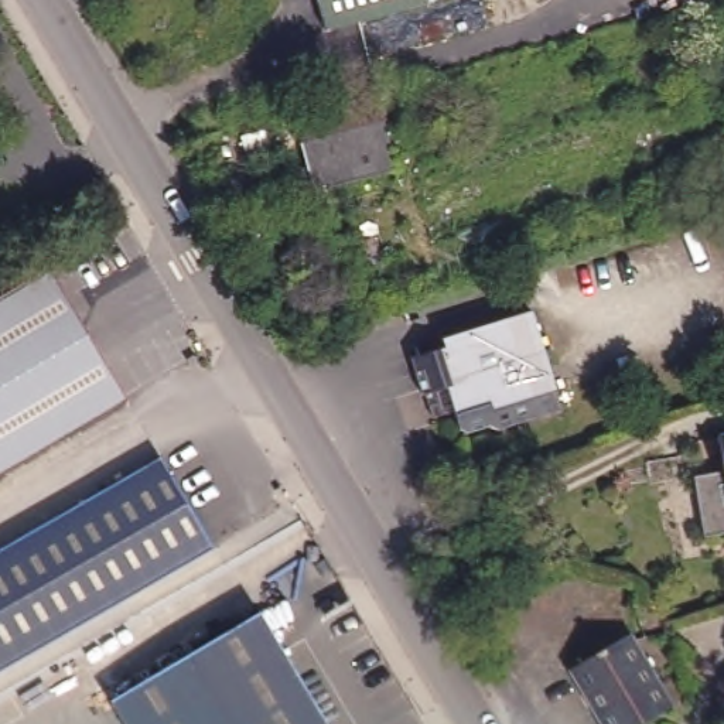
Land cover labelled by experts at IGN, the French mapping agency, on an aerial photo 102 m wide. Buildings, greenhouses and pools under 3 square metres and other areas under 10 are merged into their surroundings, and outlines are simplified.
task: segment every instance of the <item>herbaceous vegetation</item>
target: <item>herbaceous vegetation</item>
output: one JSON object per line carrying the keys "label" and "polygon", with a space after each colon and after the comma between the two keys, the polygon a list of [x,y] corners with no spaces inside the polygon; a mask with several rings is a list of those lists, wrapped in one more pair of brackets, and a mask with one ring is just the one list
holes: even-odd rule
{"label": "herbaceous vegetation", "polygon": [[673,240],[673,235],[667,226],[642,218],[634,235],[617,235],[611,240],[580,246],[574,257],[557,255],[543,266],[543,272],[568,269],[602,255],[617,255],[622,249],[631,257],[639,249]]}
{"label": "herbaceous vegetation", "polygon": [[716,551],[701,551],[699,557],[682,557],[662,526],[659,503],[667,498],[667,492],[656,489],[662,486],[662,478],[679,478],[682,464],[707,461],[707,447],[696,453],[679,453],[676,447],[670,453],[645,453],[597,478],[594,484],[585,484],[583,489],[566,489],[563,481],[551,492],[546,492],[540,495],[537,506],[543,503],[549,506],[551,518],[574,523],[574,549],[583,543],[594,551],[622,549],[625,560],[636,568],[645,568],[650,560],[659,557],[673,557],[676,571],[667,574],[667,580],[659,585],[653,602],[622,605],[611,619],[625,622],[628,636],[656,642],[662,636],[662,617],[673,611],[676,619],[687,619],[693,614],[724,605],[724,591],[718,591],[718,577],[713,574],[713,566],[718,560]]}
{"label": "herbaceous vegetation", "polygon": [[107,11],[91,25],[93,34],[99,34],[119,57],[130,42],[156,45],[141,65],[133,65],[127,71],[139,88],[150,91],[206,76],[240,59],[249,51],[257,31],[277,14],[283,0],[127,0],[124,8]]}
{"label": "herbaceous vegetation", "polygon": [[574,393],[574,399],[568,402],[557,416],[535,421],[532,427],[540,444],[549,444],[594,424],[597,410],[583,393]]}
{"label": "herbaceous vegetation", "polygon": [[[580,59],[588,48],[600,48],[605,54],[602,68],[588,76],[571,76],[568,65]],[[430,158],[427,164],[416,164],[410,156],[393,161],[390,170],[379,175],[342,184],[348,195],[362,195],[359,218],[365,221],[362,235],[368,252],[376,252],[379,240],[393,240],[427,260],[427,272],[413,277],[404,294],[379,291],[379,317],[387,322],[475,297],[478,286],[469,277],[464,277],[464,269],[475,263],[478,255],[492,257],[512,243],[520,243],[526,238],[526,226],[554,204],[594,204],[605,192],[628,195],[634,184],[645,175],[656,178],[659,204],[682,201],[682,175],[693,153],[701,141],[724,130],[724,124],[710,116],[707,88],[690,71],[684,71],[665,82],[656,82],[656,91],[665,99],[665,110],[650,113],[645,96],[631,96],[611,110],[602,110],[600,93],[614,82],[631,82],[648,51],[642,40],[634,37],[634,23],[585,31],[577,34],[571,42],[529,45],[520,51],[481,59],[467,71],[475,82],[486,88],[489,102],[498,105],[486,139],[481,144],[469,144],[455,153]]]}

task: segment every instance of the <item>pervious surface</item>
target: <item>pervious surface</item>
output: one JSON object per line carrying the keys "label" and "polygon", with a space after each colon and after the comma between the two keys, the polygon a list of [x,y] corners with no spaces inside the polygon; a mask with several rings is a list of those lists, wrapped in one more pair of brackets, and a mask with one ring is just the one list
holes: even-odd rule
{"label": "pervious surface", "polygon": [[642,362],[648,362],[656,379],[665,385],[665,390],[673,393],[670,410],[687,410],[687,416],[665,421],[653,438],[628,436],[614,450],[566,469],[563,481],[566,489],[583,489],[585,484],[594,484],[597,478],[645,453],[670,453],[676,447],[676,436],[696,430],[710,419],[710,410],[690,407],[687,396],[679,396],[679,376],[693,370],[701,356],[713,354],[713,337],[724,331],[724,252],[713,249],[707,255],[690,232],[673,235],[673,240],[639,249],[631,257],[622,249],[617,255],[602,255],[568,269],[543,272],[529,308],[529,311],[540,325],[540,337],[546,339],[546,354],[554,373],[551,390],[557,390],[560,402],[568,402],[574,399],[574,393],[583,393],[597,410],[602,404],[602,385],[608,376],[619,373],[634,354]]}
{"label": "pervious surface", "polygon": [[682,557],[699,557],[701,551],[687,537],[684,520],[690,515],[701,518],[699,486],[687,492],[679,478],[662,478],[662,486],[656,489],[667,492],[667,498],[659,503],[662,526]]}
{"label": "pervious surface", "polygon": [[696,645],[696,650],[707,656],[707,676],[699,690],[696,707],[687,713],[687,724],[724,724],[724,605],[693,614],[687,619],[679,634],[687,636]]}
{"label": "pervious surface", "polygon": [[577,667],[580,662],[597,656],[600,650],[628,636],[625,622],[611,619],[622,605],[622,594],[617,588],[591,585],[583,580],[566,583],[551,594],[543,594],[535,597],[529,611],[523,614],[523,628],[515,642],[518,659],[509,679],[503,684],[495,684],[506,707],[523,716],[529,707],[535,707],[535,713],[543,710],[549,704],[546,687],[563,679],[566,667]]}
{"label": "pervious surface", "polygon": [[255,130],[243,139],[223,139],[221,156],[235,158],[240,147],[266,141],[266,130]]}

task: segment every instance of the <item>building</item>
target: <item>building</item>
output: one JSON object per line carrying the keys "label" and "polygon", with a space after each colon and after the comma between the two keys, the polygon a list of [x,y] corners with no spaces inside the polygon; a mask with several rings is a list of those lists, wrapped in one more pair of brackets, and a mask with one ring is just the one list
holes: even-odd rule
{"label": "building", "polygon": [[701,518],[704,535],[724,535],[724,419],[710,419],[696,430],[704,436],[707,447],[707,461],[682,464],[679,478],[687,492],[699,486]]}
{"label": "building", "polygon": [[546,354],[546,339],[540,337],[540,325],[529,311],[453,334],[444,339],[444,348],[433,354],[404,356],[410,385],[421,399],[430,421],[458,421],[461,433],[501,433],[518,424],[532,427],[535,421],[557,416],[568,402],[560,402],[557,390],[551,390],[554,373]]}
{"label": "building", "polygon": [[436,0],[320,0],[325,14],[322,34],[359,31],[373,37],[399,31],[407,14],[427,11]]}
{"label": "building", "polygon": [[571,690],[585,693],[594,724],[648,724],[662,721],[667,710],[673,710],[670,690],[665,690],[665,684],[656,676],[656,662],[665,662],[665,656],[656,642],[628,636],[600,650],[597,656],[580,662],[577,667],[566,667],[563,679]]}
{"label": "building", "polygon": [[393,161],[387,124],[342,124],[331,136],[308,136],[303,141],[305,170],[320,175],[320,187],[325,189],[342,184],[379,175],[390,170]]}
{"label": "building", "polygon": [[96,413],[113,407],[122,399],[116,379],[107,373],[99,351],[93,348],[71,305],[62,300],[54,277],[42,274],[40,280],[0,300],[0,458],[6,464],[14,464],[28,453],[40,450],[42,444],[54,441],[57,436],[74,430],[76,424],[93,419]]}
{"label": "building", "polygon": [[238,622],[232,631],[218,634],[201,648],[170,662],[167,667],[110,696],[107,701],[119,724],[325,724],[314,710],[317,696],[322,696],[325,690],[320,673],[314,679],[305,679],[303,673],[294,673],[266,625],[266,617],[255,614]]}
{"label": "building", "polygon": [[105,614],[107,608],[124,602],[127,597],[144,591],[147,585],[164,580],[167,574],[184,568],[187,563],[204,557],[218,543],[212,540],[212,518],[206,518],[201,506],[192,506],[192,501],[187,501],[184,489],[173,498],[164,498],[161,481],[170,472],[170,464],[164,464],[156,455],[150,464],[116,478],[105,489],[76,501],[65,512],[42,520],[40,526],[0,546],[0,670],[51,645],[68,631],[85,625],[88,619]]}

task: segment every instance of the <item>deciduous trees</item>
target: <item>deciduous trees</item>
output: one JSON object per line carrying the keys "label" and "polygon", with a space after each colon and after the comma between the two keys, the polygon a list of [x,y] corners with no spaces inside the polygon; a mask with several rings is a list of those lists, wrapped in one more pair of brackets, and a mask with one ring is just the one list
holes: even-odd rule
{"label": "deciduous trees", "polygon": [[[339,62],[334,57],[311,59],[308,54],[297,54],[291,59],[291,74],[286,79],[277,79],[269,99],[263,96],[260,85],[226,93],[221,99],[218,113],[209,113],[209,107],[198,107],[195,113],[192,124],[204,127],[206,136],[170,147],[178,161],[173,178],[178,201],[184,204],[187,218],[192,215],[204,226],[201,238],[192,243],[201,252],[198,266],[209,266],[212,277],[223,274],[223,280],[235,288],[235,317],[249,325],[263,325],[263,334],[277,339],[277,354],[286,354],[294,365],[305,368],[339,365],[362,339],[368,339],[387,322],[379,317],[379,291],[404,294],[413,277],[427,272],[427,260],[393,240],[379,240],[376,252],[368,252],[362,235],[365,221],[359,218],[362,195],[348,195],[342,184],[325,189],[320,187],[320,175],[305,170],[303,141],[308,136],[331,136],[342,124],[387,124],[393,161],[410,156],[416,164],[427,164],[430,158],[455,153],[469,144],[481,144],[486,139],[498,105],[489,102],[486,88],[475,82],[467,71],[458,79],[450,79],[444,71],[404,68],[393,59],[379,57],[376,62]],[[221,156],[223,139],[243,139],[255,130],[266,130],[266,141],[240,147],[235,158]]]}
{"label": "deciduous trees", "polygon": [[518,424],[501,433],[461,433],[458,421],[430,421],[427,430],[441,433],[453,444],[441,455],[444,464],[427,469],[430,484],[421,492],[421,498],[427,498],[430,503],[427,518],[413,512],[390,532],[385,543],[385,563],[387,568],[404,571],[410,602],[424,602],[430,597],[438,608],[441,625],[433,636],[438,639],[441,653],[453,659],[458,667],[464,667],[475,682],[495,684],[503,684],[509,679],[518,659],[515,642],[523,628],[523,614],[529,611],[535,597],[543,594],[543,588],[537,585],[537,568],[543,566],[543,554],[535,543],[526,543],[526,518],[532,506],[537,506],[540,495],[546,492],[540,484],[537,464],[554,455],[585,450],[594,444],[594,438],[605,433],[628,436],[653,438],[665,421],[687,416],[687,410],[670,410],[673,393],[665,390],[665,385],[656,379],[648,362],[642,362],[634,354],[619,373],[608,376],[602,385],[602,404],[597,410],[594,424],[549,444],[540,444],[532,427]]}
{"label": "deciduous trees", "polygon": [[42,274],[54,277],[76,272],[76,266],[82,263],[105,263],[107,257],[119,255],[116,235],[127,226],[127,212],[110,178],[102,175],[82,192],[76,192],[68,184],[54,184],[40,195],[31,195],[20,209],[6,212],[0,218],[0,300],[40,280]]}
{"label": "deciduous trees", "polygon": [[713,337],[713,354],[701,356],[693,370],[679,376],[679,396],[687,396],[690,407],[710,410],[710,419],[724,419],[724,331]]}
{"label": "deciduous trees", "polygon": [[634,23],[634,37],[642,40],[648,51],[665,51],[679,57],[684,71],[690,71],[707,88],[710,116],[724,124],[724,0],[676,0],[676,6],[667,8],[662,20]]}
{"label": "deciduous trees", "polygon": [[464,277],[469,277],[478,286],[475,297],[489,300],[495,305],[529,308],[543,272],[543,266],[557,255],[574,257],[580,246],[611,240],[617,235],[634,235],[642,218],[667,226],[673,235],[690,232],[707,255],[713,249],[724,252],[724,130],[701,141],[693,153],[682,175],[682,201],[659,204],[656,178],[645,175],[634,184],[628,195],[605,192],[594,204],[554,204],[526,226],[526,238],[520,243],[512,243],[492,257],[478,255],[475,263],[464,269]]}
{"label": "deciduous trees", "polygon": [[23,110],[0,91],[0,158],[6,153],[20,150],[31,130],[23,119]]}

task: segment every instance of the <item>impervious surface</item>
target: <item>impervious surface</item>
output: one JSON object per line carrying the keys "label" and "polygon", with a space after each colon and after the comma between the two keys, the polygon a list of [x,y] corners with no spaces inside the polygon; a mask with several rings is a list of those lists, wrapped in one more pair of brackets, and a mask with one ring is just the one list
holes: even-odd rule
{"label": "impervious surface", "polygon": [[[218,543],[204,557],[187,563],[184,568],[167,574],[164,580],[147,585],[144,591],[127,597],[124,602],[107,608],[105,614],[88,619],[85,625],[68,631],[51,645],[0,670],[0,724],[119,724],[107,701],[110,696],[167,667],[170,662],[201,648],[218,634],[232,631],[238,622],[255,614],[266,617],[266,625],[294,673],[303,673],[305,679],[314,679],[320,673],[325,690],[322,696],[317,696],[314,710],[325,724],[594,724],[585,693],[571,690],[563,679],[546,687],[549,704],[543,710],[535,713],[535,707],[529,707],[523,716],[506,707],[495,684],[475,682],[464,667],[458,667],[453,659],[441,653],[438,639],[433,636],[441,625],[438,608],[430,597],[424,602],[410,602],[404,571],[387,568],[385,563],[385,543],[390,532],[413,512],[427,518],[430,503],[427,498],[421,498],[421,492],[430,484],[427,469],[444,464],[441,455],[453,444],[441,433],[427,430],[430,421],[421,399],[410,385],[404,356],[433,354],[444,348],[444,339],[453,334],[529,311],[529,308],[495,305],[489,300],[475,297],[387,322],[368,339],[362,339],[339,365],[305,368],[294,365],[286,354],[277,354],[277,339],[263,334],[263,325],[249,325],[235,317],[235,288],[223,280],[223,274],[212,277],[209,266],[198,266],[201,252],[192,243],[201,238],[204,226],[192,215],[187,218],[184,204],[178,201],[173,178],[178,161],[170,147],[206,136],[204,127],[192,124],[195,113],[198,107],[209,107],[209,113],[218,113],[221,99],[226,93],[260,85],[263,96],[269,99],[277,79],[286,79],[291,74],[291,59],[297,54],[308,54],[311,59],[334,57],[339,62],[376,62],[379,57],[393,59],[404,48],[441,62],[458,62],[469,57],[481,59],[520,51],[529,45],[571,42],[577,34],[585,31],[634,23],[662,20],[667,8],[676,6],[676,0],[436,0],[427,11],[407,14],[399,31],[373,37],[359,31],[322,34],[325,14],[320,0],[283,0],[277,14],[257,31],[249,51],[240,59],[206,76],[150,91],[139,88],[127,71],[122,68],[119,57],[99,34],[93,34],[91,25],[82,17],[82,8],[91,0],[0,0],[0,91],[23,110],[23,119],[31,130],[20,150],[6,153],[0,158],[0,218],[6,212],[20,209],[31,195],[40,195],[54,184],[68,184],[76,192],[82,192],[102,175],[110,178],[127,212],[127,226],[116,235],[119,255],[107,257],[105,263],[82,263],[76,266],[76,272],[54,277],[62,300],[71,305],[93,348],[99,351],[107,373],[116,379],[122,399],[113,407],[96,413],[93,419],[76,424],[74,430],[57,436],[54,441],[42,444],[40,450],[28,453],[14,464],[6,464],[0,458],[0,546],[40,526],[42,520],[65,512],[76,501],[105,489],[116,478],[150,464],[156,455],[164,464],[170,464],[170,472],[161,481],[164,498],[173,498],[184,489],[187,501],[192,501],[192,506],[201,506],[206,518],[212,518],[212,540]],[[25,71],[20,68],[14,54],[23,48],[28,48],[34,65],[40,68],[65,116],[71,119],[74,130],[79,133],[79,141],[74,147],[62,144],[54,122],[48,119],[40,96],[34,93]]]}

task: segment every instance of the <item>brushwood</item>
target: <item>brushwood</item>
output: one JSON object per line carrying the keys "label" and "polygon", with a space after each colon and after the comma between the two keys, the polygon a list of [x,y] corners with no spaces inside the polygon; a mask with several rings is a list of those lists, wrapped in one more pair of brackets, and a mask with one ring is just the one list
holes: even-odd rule
{"label": "brushwood", "polygon": [[404,68],[444,71],[450,79],[458,79],[467,71],[481,59],[469,57],[458,62],[441,62],[404,48],[393,59]]}
{"label": "brushwood", "polygon": [[156,45],[130,42],[119,57],[122,68],[127,71],[133,65],[141,65]]}
{"label": "brushwood", "polygon": [[622,594],[622,605],[653,602],[659,585],[667,580],[667,574],[676,571],[673,557],[659,557],[650,560],[645,568],[636,568],[625,560],[622,549],[594,551],[583,543],[574,549],[574,523],[551,518],[549,506],[543,503],[537,506],[532,506],[526,518],[526,543],[535,543],[543,554],[543,566],[537,568],[537,585],[543,588],[543,594],[551,594],[566,583],[583,580],[591,585],[617,588]]}
{"label": "brushwood", "polygon": [[554,455],[537,464],[540,484],[546,492],[551,492],[563,481],[566,469],[614,450],[628,436],[605,433],[594,438],[594,444],[585,450]]}
{"label": "brushwood", "polygon": [[650,113],[665,110],[665,99],[656,91],[656,82],[665,82],[684,71],[679,57],[665,51],[648,51],[631,82],[614,82],[600,93],[602,110],[611,110],[631,96],[645,96]]}
{"label": "brushwood", "polygon": [[676,447],[679,453],[696,453],[707,447],[704,436],[696,430],[676,436]]}
{"label": "brushwood", "polygon": [[124,8],[127,0],[91,0],[82,8],[82,17],[91,25],[107,11]]}
{"label": "brushwood", "polygon": [[673,611],[662,617],[662,636],[656,642],[665,656],[665,662],[656,662],[656,676],[665,684],[665,690],[670,690],[673,710],[667,710],[662,721],[648,724],[687,724],[687,713],[696,707],[699,690],[707,676],[707,656],[696,650],[696,645],[687,636],[679,634],[687,619],[676,619]]}
{"label": "brushwood", "polygon": [[716,551],[718,560],[713,566],[713,574],[718,577],[718,591],[724,591],[724,535],[704,535],[701,518],[690,515],[684,520],[687,537],[701,551]]}
{"label": "brushwood", "polygon": [[568,65],[571,76],[588,76],[602,68],[605,54],[600,48],[588,48],[580,59]]}
{"label": "brushwood", "polygon": [[20,68],[25,71],[34,93],[40,96],[48,119],[54,122],[62,144],[74,147],[79,141],[79,133],[74,130],[71,119],[65,116],[40,68],[34,65],[28,48],[23,48],[14,54]]}

